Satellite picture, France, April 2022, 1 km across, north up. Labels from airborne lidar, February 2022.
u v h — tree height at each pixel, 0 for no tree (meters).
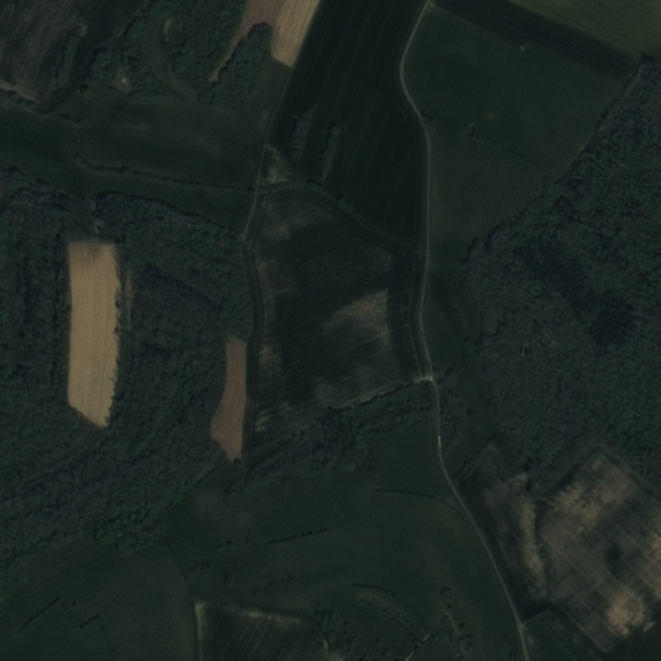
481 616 0
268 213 0
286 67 0
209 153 0
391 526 0
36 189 18
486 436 0
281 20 0
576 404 24
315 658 0
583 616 0
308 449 15
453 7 0
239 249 17
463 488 0
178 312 14
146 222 13
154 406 14
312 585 0
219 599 0
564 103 0
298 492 0
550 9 0
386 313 0
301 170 0
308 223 0
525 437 24
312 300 0
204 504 0
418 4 0
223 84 16
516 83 0
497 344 21
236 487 10
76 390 0
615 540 0
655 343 21
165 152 0
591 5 0
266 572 0
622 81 0
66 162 0
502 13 0
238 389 0
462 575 0
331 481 0
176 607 0
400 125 0
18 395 23
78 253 0
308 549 0
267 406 0
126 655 0
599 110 0
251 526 0
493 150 0
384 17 0
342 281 0
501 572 0
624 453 22
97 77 15
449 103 0
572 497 0
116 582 0
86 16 0
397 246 0
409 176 0
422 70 0
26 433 23
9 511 22
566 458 25
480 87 0
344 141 0
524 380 24
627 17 0
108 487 24
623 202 21
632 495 0
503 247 20
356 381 0
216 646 0
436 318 0
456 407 22
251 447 0
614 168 23
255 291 0
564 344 25
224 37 17
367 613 0
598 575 0
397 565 0
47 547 19
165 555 0
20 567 19
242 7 19
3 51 0
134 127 0
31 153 0
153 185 0
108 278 0
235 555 0
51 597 0
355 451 21
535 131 0
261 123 0
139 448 20
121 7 0
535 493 20
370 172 0
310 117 14
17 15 0
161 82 6
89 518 17
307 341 0
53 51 0
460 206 0
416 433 0
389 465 0
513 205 0
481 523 0
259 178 0
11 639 0
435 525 0
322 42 0
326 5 0
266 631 0
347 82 0
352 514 0
